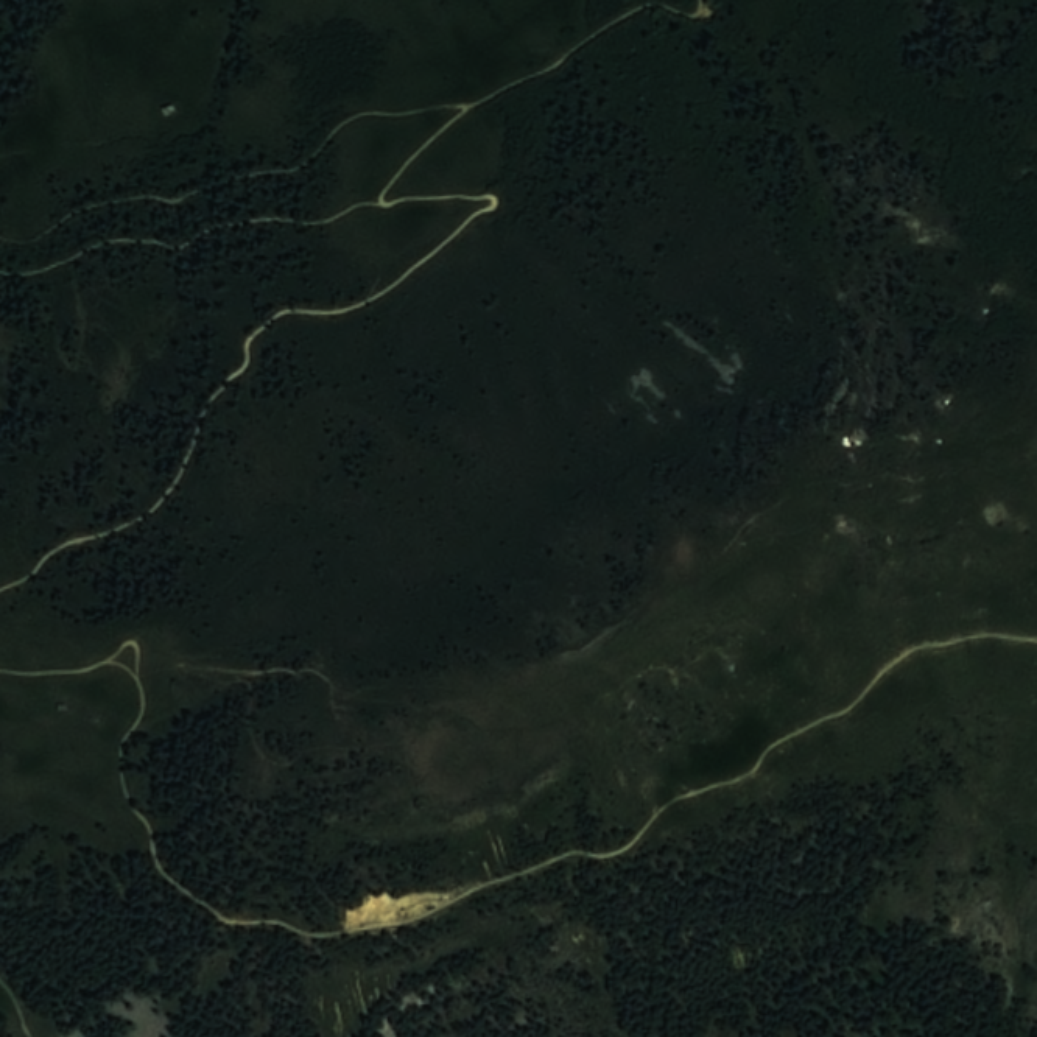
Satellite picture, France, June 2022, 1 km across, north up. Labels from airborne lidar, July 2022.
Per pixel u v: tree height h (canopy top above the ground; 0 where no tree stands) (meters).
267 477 0
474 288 0
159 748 14
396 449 0
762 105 8
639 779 0
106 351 0
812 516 0
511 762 0
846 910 21
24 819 0
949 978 17
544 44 0
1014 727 0
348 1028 0
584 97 13
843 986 22
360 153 0
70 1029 15
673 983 26
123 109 0
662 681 0
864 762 0
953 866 0
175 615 0
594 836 15
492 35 0
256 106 0
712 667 0
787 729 0
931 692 0
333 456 0
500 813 0
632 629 0
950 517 0
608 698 0
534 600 0
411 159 0
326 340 0
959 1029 15
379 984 0
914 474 0
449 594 0
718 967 10
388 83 0
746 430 0
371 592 0
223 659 0
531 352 0
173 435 11
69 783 0
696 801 0
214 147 8
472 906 6
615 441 0
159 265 0
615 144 10
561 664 0
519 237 0
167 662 0
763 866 22
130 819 0
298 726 0
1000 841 0
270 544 0
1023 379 0
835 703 0
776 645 0
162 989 20
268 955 15
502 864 0
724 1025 14
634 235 0
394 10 0
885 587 0
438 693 0
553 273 0
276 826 9
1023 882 0
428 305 0
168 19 0
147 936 25
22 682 0
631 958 19
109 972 20
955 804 0
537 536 0
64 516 0
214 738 15
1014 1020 9
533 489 0
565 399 0
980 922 0
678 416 0
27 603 0
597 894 23
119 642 0
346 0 0
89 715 0
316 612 0
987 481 0
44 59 0
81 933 16
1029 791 0
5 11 27
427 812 0
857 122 0
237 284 0
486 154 0
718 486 0
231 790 11
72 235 9
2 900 23
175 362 0
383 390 0
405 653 0
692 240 0
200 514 0
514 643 0
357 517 0
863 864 23
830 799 13
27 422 20
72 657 0
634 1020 29
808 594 0
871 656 0
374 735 0
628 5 6
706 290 0
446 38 0
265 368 7
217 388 11
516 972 16
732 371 0
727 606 0
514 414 0
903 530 0
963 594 0
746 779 0
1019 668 0
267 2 0
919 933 22
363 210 0
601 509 0
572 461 0
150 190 10
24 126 0
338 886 15
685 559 0
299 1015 20
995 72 9
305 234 9
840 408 8
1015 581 0
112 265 11
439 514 0
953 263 10
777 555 0
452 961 13
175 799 14
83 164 0
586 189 13
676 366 0
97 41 0
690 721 0
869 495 0
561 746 0
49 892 20
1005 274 0
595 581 0
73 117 0
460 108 0
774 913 19
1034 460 0
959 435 0
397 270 0
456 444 0
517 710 0
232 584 0
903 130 0
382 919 0
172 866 13
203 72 0
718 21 7
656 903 22
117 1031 21
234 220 15
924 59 21
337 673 0
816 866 18
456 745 0
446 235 0
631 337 0
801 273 0
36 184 0
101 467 17
